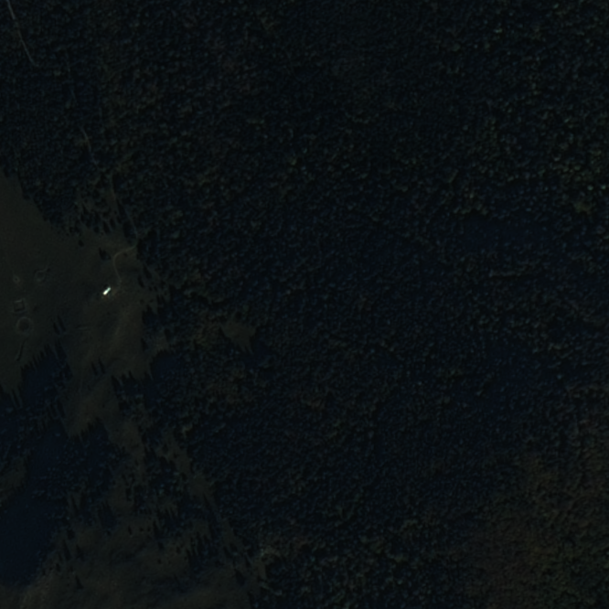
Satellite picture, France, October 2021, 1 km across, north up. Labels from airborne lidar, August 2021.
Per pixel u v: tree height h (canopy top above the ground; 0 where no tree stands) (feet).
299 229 38
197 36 30
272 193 44
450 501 57
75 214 45
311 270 52
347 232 54
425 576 25
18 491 0
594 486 76
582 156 39
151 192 56
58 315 0
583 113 78
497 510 55
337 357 44
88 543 0
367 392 57
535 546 85
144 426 20
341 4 57
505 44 96
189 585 0
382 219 58
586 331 21
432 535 39
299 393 54
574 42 62
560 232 81
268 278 42
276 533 28
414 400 77
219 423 60
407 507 55
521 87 94
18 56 60
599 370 67
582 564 80
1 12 58
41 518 20
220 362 72
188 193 40
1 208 0
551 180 39
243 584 28
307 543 32
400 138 60
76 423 0
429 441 58
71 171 59
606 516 47
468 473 59
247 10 59
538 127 93
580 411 40
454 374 48
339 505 56
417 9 42
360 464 79
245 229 48
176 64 68
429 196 42
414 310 65
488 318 54
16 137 66
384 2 71
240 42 54
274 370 63
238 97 56
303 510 98
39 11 62
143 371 0
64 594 0
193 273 39
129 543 0
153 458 34
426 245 52
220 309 55
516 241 68
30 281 0
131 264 0
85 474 39
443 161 34
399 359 50
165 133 55
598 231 76
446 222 49
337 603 30
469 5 91
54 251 0
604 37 54
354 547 32
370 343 43
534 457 44
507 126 41
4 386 0
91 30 61
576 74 41
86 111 64
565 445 74
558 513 46
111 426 0
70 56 37
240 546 0
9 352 0
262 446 63
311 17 27
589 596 76
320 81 56
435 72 54
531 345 41
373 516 57
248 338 0
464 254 42
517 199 90
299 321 58
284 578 37
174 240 36
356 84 47
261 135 59
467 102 52
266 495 32
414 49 53
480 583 56
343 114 49
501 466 75
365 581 33
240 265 71
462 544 32
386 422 76
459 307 74
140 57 43
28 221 0
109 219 27
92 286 0
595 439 64
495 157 54
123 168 52
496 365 53
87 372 0
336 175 62
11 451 20
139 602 0
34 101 60
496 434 62
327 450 73
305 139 47
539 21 94
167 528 28
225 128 41
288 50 34
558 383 19
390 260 49
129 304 0
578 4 69
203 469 25
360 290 53
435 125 50
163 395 62
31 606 0
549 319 23
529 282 28
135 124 83
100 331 0
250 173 40
